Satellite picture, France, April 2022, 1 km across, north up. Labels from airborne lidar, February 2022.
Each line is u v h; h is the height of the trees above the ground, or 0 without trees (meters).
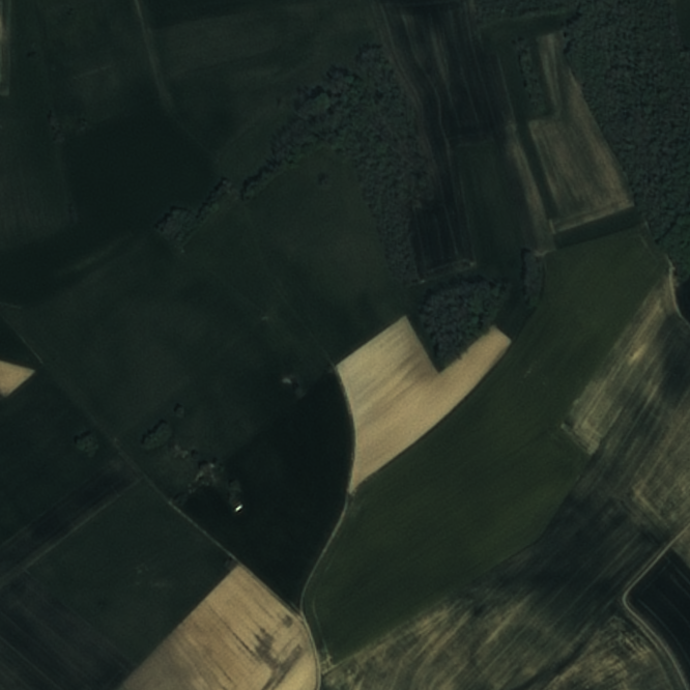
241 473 0
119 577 0
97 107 0
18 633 0
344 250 0
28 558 0
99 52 0
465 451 0
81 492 0
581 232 0
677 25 18
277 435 0
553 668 0
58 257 0
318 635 0
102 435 0
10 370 0
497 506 0
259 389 0
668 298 0
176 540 0
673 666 0
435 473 0
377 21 0
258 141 0
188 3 0
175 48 0
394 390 0
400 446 0
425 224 0
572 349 0
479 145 0
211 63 0
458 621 0
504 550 0
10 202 0
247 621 0
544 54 0
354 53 0
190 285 0
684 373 0
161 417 0
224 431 0
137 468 0
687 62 6
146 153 0
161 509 0
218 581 0
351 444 0
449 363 22
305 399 0
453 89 0
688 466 0
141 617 0
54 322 0
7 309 0
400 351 0
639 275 0
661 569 0
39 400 0
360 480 0
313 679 0
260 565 0
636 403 0
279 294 0
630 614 0
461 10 0
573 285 0
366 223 0
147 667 0
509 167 0
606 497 0
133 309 0
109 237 0
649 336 0
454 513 0
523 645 0
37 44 0
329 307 0
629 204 0
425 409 0
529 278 21
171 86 0
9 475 0
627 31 14
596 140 0
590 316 0
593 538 0
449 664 0
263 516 0
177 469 0
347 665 0
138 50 0
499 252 0
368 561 0
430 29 0
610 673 0
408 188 21
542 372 0
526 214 0
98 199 0
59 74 0
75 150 0
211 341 0
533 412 0
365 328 0
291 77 0
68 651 0
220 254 0
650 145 20
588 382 0
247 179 0
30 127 0
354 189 0
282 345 0
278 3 0
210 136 0
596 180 0
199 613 0
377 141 17
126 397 0
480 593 0
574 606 0
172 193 0
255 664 0
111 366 0
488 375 0
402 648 0
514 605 0
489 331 20
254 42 0
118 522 0
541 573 0
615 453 0
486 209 0
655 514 0
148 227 0
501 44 0
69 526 0
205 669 0
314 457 0
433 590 0
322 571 0
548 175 0
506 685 0
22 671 0
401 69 0
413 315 0
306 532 0
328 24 0
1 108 0
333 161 0
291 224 0
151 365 0
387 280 0
